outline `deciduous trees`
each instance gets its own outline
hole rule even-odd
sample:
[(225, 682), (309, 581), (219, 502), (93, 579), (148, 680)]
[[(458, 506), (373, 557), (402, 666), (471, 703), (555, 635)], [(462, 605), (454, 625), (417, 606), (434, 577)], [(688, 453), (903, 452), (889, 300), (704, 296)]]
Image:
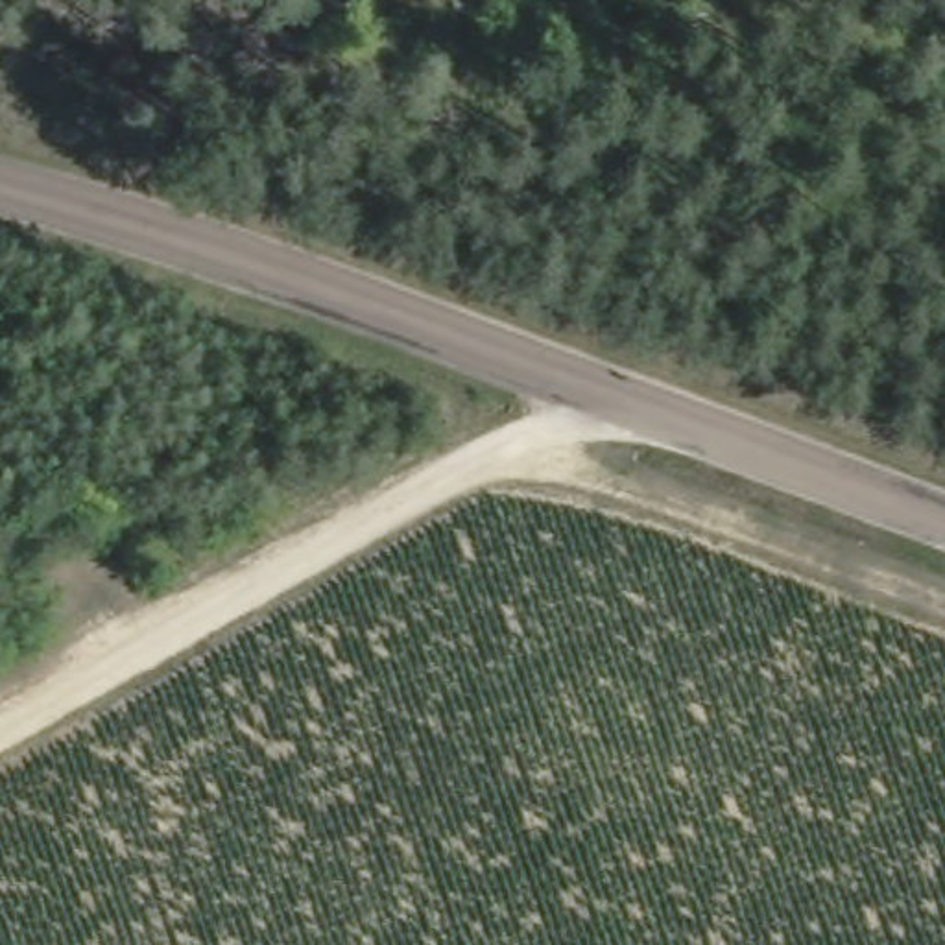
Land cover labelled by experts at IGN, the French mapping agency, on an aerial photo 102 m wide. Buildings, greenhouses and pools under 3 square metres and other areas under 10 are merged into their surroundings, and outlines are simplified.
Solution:
[(155, 572), (140, 594), (144, 602), (192, 587), (188, 576), (203, 561), (203, 554), (210, 554), (210, 535), (203, 539), (177, 532), (170, 539), (148, 539), (140, 550), (155, 561)]
[(30, 657), (59, 653), (63, 650), (48, 635), (48, 624), (37, 635), (0, 646), (0, 683), (11, 676), (15, 664)]

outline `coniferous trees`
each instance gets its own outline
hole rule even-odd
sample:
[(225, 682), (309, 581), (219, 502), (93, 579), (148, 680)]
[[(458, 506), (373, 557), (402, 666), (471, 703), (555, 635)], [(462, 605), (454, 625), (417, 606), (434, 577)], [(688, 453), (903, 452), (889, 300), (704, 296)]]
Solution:
[(126, 166), (114, 159), (100, 159), (100, 166), (89, 173), (114, 188), (162, 196), (181, 214), (207, 210), (233, 225), (262, 218), (284, 240), (351, 247), (354, 258), (402, 269), (413, 284), (428, 292), (454, 295), (469, 306), (487, 306), (517, 325), (557, 336), (576, 332), (594, 336), (598, 343), (720, 347), (724, 365), (742, 369), (742, 399), (794, 391), (801, 395), (805, 421), (867, 421), (867, 428), (879, 439), (901, 450), (945, 450), (945, 0), (0, 0), (0, 48), (18, 48), (26, 41), (26, 15), (55, 15), (70, 22), (74, 33), (111, 37), (114, 59), (122, 66), (122, 89), (114, 92), (107, 111), (126, 129), (126, 148), (140, 162)]
[(210, 535), (218, 528), (233, 528), (240, 513), (258, 509), (262, 495), (273, 484), (303, 491), (306, 498), (329, 498), (340, 487), (354, 487), (362, 476), (358, 458), (369, 447), (377, 454), (410, 454), (413, 428), (425, 421), (413, 413), (413, 391), (402, 380), (391, 380), (380, 369), (351, 369), (343, 362), (332, 362), (299, 332), (240, 325), (199, 306), (185, 306), (181, 284), (173, 277), (148, 281), (114, 255), (74, 247), (55, 236), (41, 236), (30, 225), (0, 218), (0, 646), (37, 635), (48, 624), (55, 598), (48, 591), (44, 598), (37, 598), (37, 583), (44, 568), (55, 561), (85, 554), (111, 576), (118, 576), (133, 594), (140, 594), (155, 572), (155, 561), (140, 550), (148, 539), (170, 539), (177, 532), (203, 539)]

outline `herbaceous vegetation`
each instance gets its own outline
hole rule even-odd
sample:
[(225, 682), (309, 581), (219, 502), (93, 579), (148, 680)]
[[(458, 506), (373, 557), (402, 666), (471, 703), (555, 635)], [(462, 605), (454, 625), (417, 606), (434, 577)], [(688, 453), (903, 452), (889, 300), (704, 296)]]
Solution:
[(901, 450), (879, 439), (867, 428), (867, 421), (805, 421), (801, 395), (794, 391), (742, 399), (742, 369), (724, 365), (720, 347), (598, 343), (594, 336), (576, 332), (557, 336), (572, 347), (635, 365), (650, 377), (683, 384), (698, 395), (746, 406), (757, 417), (816, 432), (819, 439), (842, 450), (856, 450), (901, 473), (945, 484), (945, 450)]
[(44, 679), (59, 664), (59, 653), (30, 657), (15, 664), (11, 676), (0, 683), (0, 698), (15, 698), (30, 683)]
[(650, 528), (705, 546), (712, 554), (727, 554), (768, 576), (794, 580), (823, 594), (827, 602), (879, 609), (912, 631), (945, 639), (945, 554), (904, 535), (871, 528), (864, 520), (842, 517), (827, 506), (712, 469), (705, 461), (628, 443), (583, 443), (587, 461), (565, 484), (495, 480), (487, 491), (502, 498), (550, 502), (583, 513), (602, 513), (609, 520), (624, 520), (635, 528)]
[(63, 650), (107, 616), (137, 613), (144, 602), (140, 594), (133, 594), (118, 576), (111, 576), (85, 554), (55, 561), (44, 568), (37, 583), (37, 598), (44, 598), (48, 591), (55, 598), (48, 624), (48, 635)]
[(140, 162), (126, 148), (126, 129), (107, 111), (114, 92), (122, 89), (122, 66), (114, 59), (111, 37), (74, 33), (70, 22), (55, 15), (26, 15), (26, 41), (18, 48), (0, 48), (0, 155), (33, 166), (59, 166), (63, 159), (70, 159), (78, 170), (89, 173), (100, 166), (100, 159), (114, 159), (126, 166)]
[(203, 554), (203, 561), (188, 576), (192, 587), (207, 583), (210, 576), (240, 568), (244, 557), (255, 557), (266, 543), (332, 520), (336, 509), (362, 502), (391, 476), (406, 476), (447, 450), (458, 450), (524, 417), (524, 406), (513, 391), (476, 384), (465, 373), (425, 362), (402, 347), (365, 340), (358, 332), (317, 321), (303, 310), (236, 295), (207, 281), (173, 277), (181, 284), (185, 306), (199, 306), (240, 325), (299, 332), (332, 362), (343, 362), (351, 369), (380, 369), (391, 380), (402, 380), (413, 391), (413, 413), (425, 421), (413, 428), (410, 454), (377, 454), (369, 447), (358, 458), (362, 476), (354, 487), (340, 487), (329, 498), (306, 498), (303, 491), (273, 484), (262, 495), (258, 509), (240, 513), (233, 528), (218, 528), (210, 535), (210, 554)]

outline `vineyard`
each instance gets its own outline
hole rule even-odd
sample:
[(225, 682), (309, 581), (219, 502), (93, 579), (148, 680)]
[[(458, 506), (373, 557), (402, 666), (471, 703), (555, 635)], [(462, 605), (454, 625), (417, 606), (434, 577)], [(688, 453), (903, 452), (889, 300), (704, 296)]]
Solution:
[(705, 546), (650, 528), (635, 528), (624, 520), (609, 520), (602, 513), (583, 513), (550, 502), (502, 498), (487, 491), (473, 491), (428, 509), (425, 517), (369, 543), (365, 550), (343, 557), (321, 576), (277, 594), (269, 605), (244, 613), (240, 620), (210, 631), (177, 657), (118, 683), (103, 698), (59, 716), (33, 738), (0, 753), (0, 945), (945, 945), (945, 639), (912, 631), (879, 609), (827, 602), (823, 594), (794, 580), (768, 576), (727, 554), (712, 554)]

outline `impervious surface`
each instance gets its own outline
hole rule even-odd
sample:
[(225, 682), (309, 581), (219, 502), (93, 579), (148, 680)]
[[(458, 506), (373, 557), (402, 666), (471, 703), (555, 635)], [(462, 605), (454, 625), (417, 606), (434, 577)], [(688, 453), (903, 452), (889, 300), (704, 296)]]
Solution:
[(181, 214), (162, 196), (114, 188), (89, 173), (78, 170), (70, 159), (63, 159), (59, 166), (33, 166), (0, 155), (0, 218), (30, 225), (41, 236), (55, 236), (74, 247), (114, 255), (148, 281), (173, 277), (207, 281), (236, 295), (303, 310), (317, 321), (358, 332), (365, 340), (402, 347), (425, 362), (465, 373), (476, 384), (513, 391), (524, 406), (524, 417), (546, 406), (565, 406), (594, 421), (631, 428), (628, 443), (705, 461), (712, 469), (827, 506), (842, 517), (864, 520), (871, 528), (904, 535), (945, 554), (945, 484), (901, 473), (856, 450), (842, 450), (819, 439), (816, 432), (757, 417), (746, 406), (698, 395), (683, 384), (650, 377), (635, 365), (572, 347), (557, 336), (517, 325), (487, 306), (469, 306), (454, 295), (428, 292), (413, 284), (402, 269), (354, 258), (351, 247), (284, 240), (262, 218), (233, 225), (207, 210)]

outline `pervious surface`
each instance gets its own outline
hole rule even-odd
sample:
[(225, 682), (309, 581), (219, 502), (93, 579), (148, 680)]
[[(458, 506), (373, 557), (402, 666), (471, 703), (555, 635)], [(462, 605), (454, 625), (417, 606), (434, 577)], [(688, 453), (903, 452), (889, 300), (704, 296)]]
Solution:
[(362, 502), (336, 509), (332, 520), (266, 543), (255, 557), (244, 557), (240, 568), (210, 576), (207, 583), (192, 587), (144, 602), (137, 613), (107, 616), (63, 650), (59, 653), (59, 664), (44, 679), (30, 683), (15, 698), (0, 698), (0, 753), (33, 738), (59, 716), (103, 698), (118, 683), (177, 657), (210, 631), (240, 620), (244, 613), (269, 605), (277, 594), (321, 576), (343, 557), (365, 550), (369, 543), (425, 517), (428, 509), (473, 491), (487, 491), (495, 480), (565, 484), (587, 461), (583, 443), (628, 443), (631, 428), (594, 421), (565, 406), (546, 406), (524, 417), (458, 450), (447, 450), (406, 476), (391, 476)]

